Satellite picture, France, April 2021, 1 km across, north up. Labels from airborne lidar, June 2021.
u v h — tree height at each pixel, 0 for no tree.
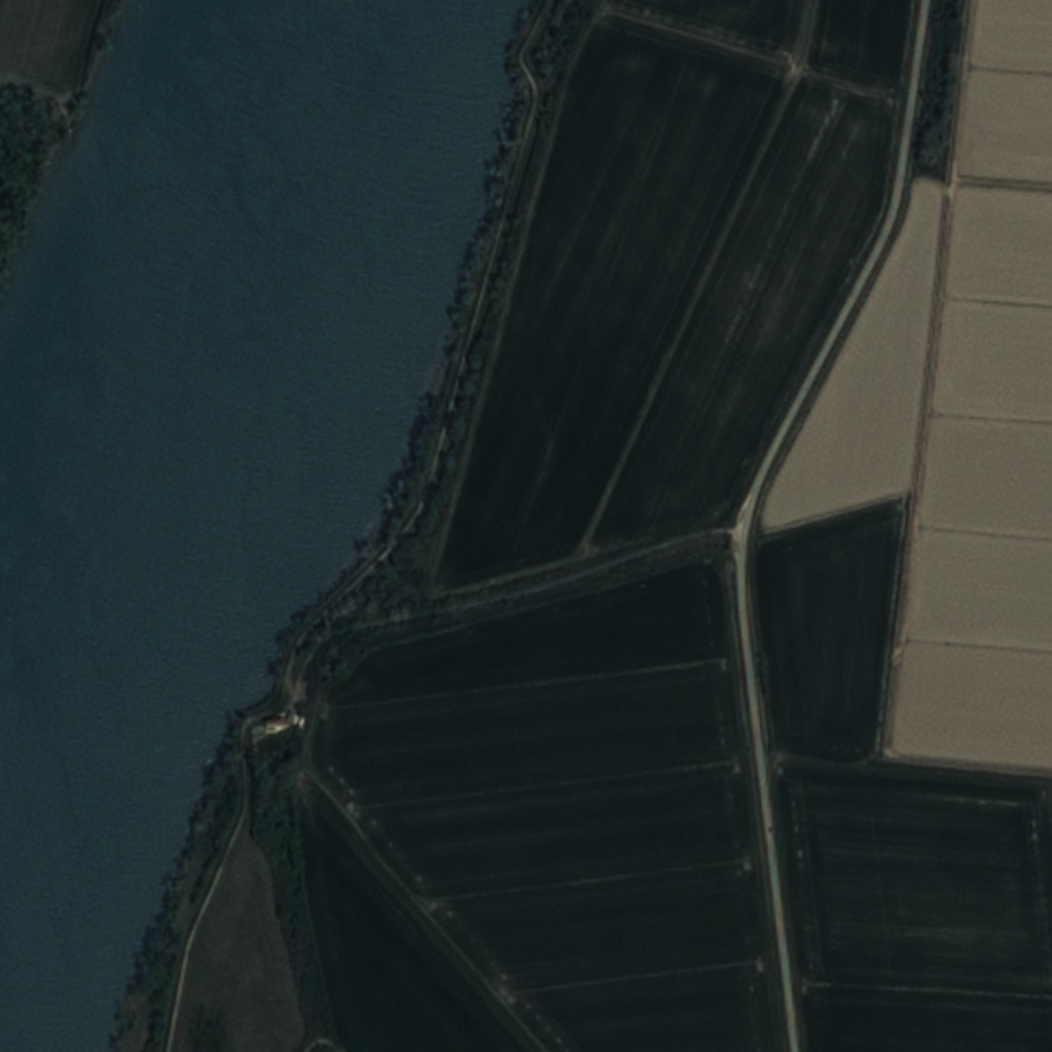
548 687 0
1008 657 0
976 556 0
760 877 0
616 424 0
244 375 0
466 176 0
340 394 0
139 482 0
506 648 0
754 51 0
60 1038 0
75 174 0
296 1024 0
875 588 0
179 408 0
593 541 0
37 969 0
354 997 0
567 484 0
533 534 0
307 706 7
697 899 0
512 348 0
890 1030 0
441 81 0
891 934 0
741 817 0
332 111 0
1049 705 0
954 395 0
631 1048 0
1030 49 0
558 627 0
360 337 0
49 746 0
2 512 0
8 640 0
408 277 0
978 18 0
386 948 0
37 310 0
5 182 22
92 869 0
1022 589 0
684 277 0
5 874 0
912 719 0
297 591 0
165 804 0
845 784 0
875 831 0
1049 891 0
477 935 0
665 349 0
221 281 0
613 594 0
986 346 0
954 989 0
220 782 16
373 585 13
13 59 0
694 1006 0
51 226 0
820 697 0
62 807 0
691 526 0
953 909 0
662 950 0
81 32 0
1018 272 0
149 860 0
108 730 0
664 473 0
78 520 0
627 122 0
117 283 0
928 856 0
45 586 0
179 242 0
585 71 0
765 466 0
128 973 0
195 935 0
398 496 18
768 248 0
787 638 0
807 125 0
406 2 0
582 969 0
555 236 0
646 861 0
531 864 0
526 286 0
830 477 0
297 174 0
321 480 0
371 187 0
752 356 0
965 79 0
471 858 0
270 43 0
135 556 0
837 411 0
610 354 0
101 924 0
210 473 0
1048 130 0
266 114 0
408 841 0
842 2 0
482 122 0
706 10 0
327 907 0
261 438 0
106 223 0
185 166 0
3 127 26
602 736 0
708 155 0
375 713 0
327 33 0
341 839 0
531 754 0
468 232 0
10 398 0
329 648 11
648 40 0
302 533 0
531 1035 0
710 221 0
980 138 0
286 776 14
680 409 0
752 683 0
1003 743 0
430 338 0
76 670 0
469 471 0
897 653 0
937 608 0
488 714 0
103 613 0
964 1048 0
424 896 0
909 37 0
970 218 0
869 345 0
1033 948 0
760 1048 0
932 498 0
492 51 0
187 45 0
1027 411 0
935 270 0
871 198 0
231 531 0
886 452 0
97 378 0
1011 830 0
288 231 0
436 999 0
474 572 0
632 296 0
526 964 0
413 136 0
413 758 0
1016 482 0
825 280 0
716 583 0
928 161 12
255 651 0
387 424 0
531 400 0
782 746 0
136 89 0
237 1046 0
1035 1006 0
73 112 15
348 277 0
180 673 0
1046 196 0
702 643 0
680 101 0
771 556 0
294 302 0
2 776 0
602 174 0
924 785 0
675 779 0
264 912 0
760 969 0
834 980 0
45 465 0
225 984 0
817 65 0
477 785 0
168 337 0
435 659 0
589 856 0
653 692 0
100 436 0
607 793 0
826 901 0
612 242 0
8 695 0
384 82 0
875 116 0
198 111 0
